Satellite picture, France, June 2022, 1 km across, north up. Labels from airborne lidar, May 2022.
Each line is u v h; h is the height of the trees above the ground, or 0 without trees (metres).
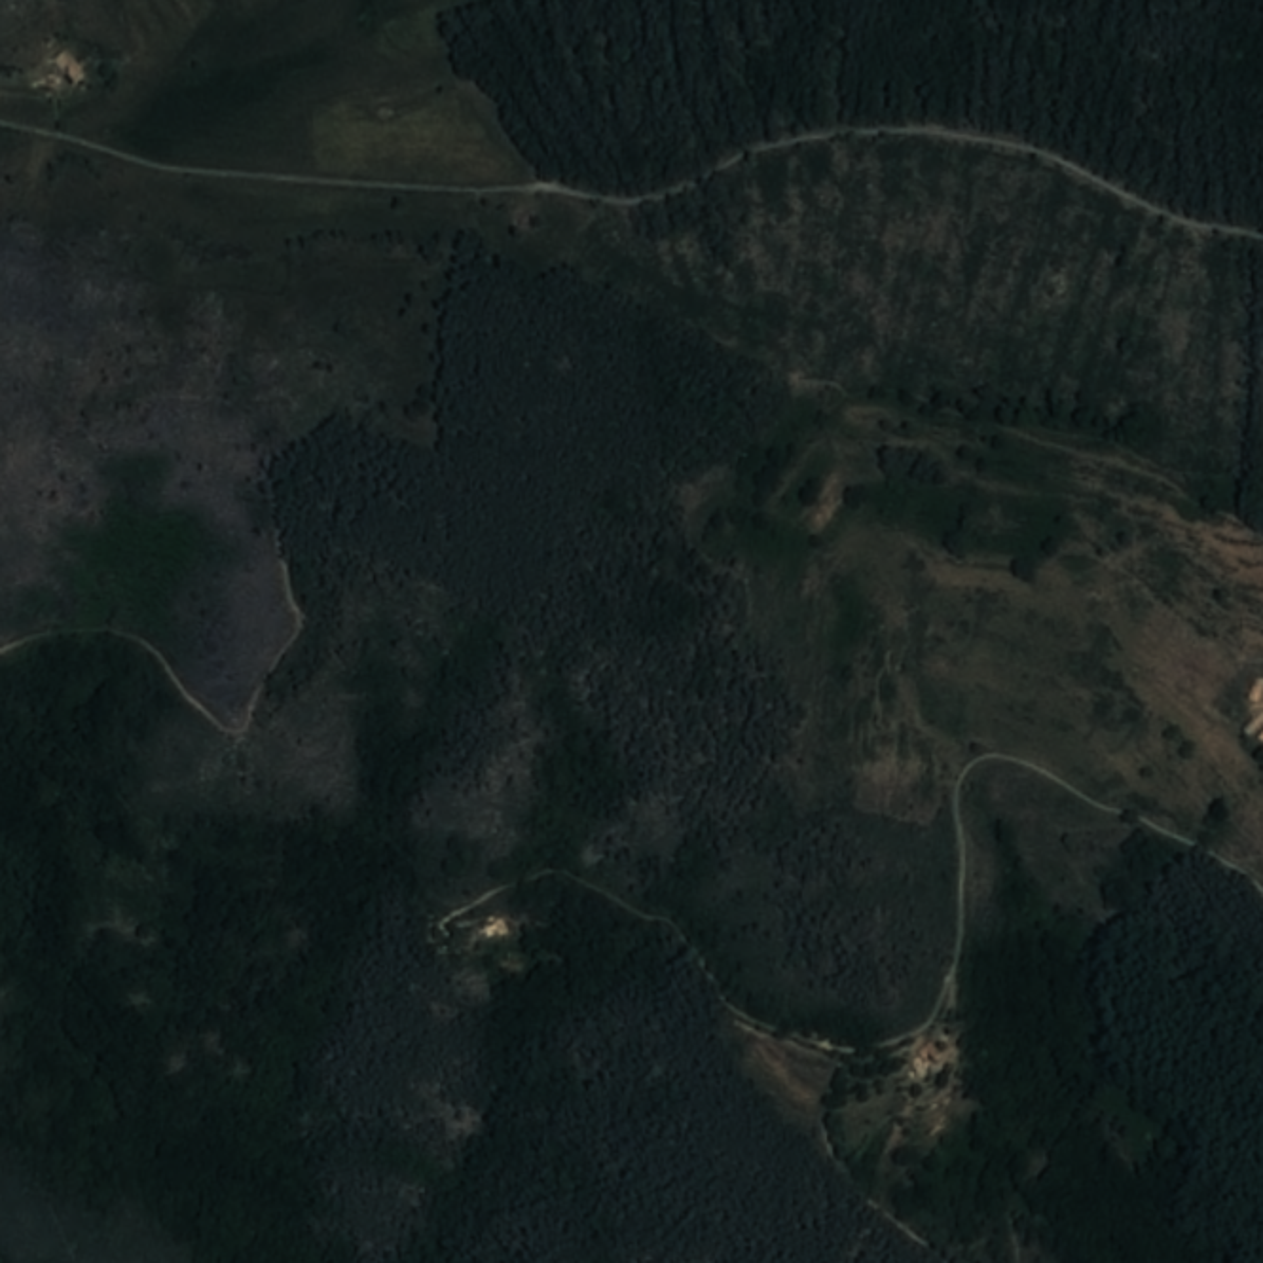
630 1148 23
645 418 17
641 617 16
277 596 0
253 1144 16
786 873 12
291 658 7
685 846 8
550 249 0
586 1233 19
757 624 0
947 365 0
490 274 17
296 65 0
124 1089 8
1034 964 15
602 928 11
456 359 16
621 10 15
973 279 0
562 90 12
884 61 13
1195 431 0
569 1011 16
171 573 0
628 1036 9
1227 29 12
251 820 7
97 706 14
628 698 13
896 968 6
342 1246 13
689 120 7
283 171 0
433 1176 13
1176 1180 21
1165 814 0
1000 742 0
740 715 18
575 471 20
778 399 15
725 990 8
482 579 14
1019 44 13
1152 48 11
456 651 7
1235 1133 39
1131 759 0
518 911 6
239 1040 17
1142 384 0
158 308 0
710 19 13
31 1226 0
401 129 0
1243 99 13
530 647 9
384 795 13
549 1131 18
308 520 16
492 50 15
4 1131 9
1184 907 17
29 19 0
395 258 0
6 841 19
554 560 20
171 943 10
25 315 0
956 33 8
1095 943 8
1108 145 8
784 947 0
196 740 0
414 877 7
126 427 0
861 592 0
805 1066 0
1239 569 0
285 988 17
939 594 0
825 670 0
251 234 0
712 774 9
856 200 0
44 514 0
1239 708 0
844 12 12
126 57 0
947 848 0
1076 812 0
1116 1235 19
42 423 0
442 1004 10
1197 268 0
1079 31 14
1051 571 0
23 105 0
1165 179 15
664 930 17
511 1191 18
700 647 19
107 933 10
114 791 8
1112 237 0
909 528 0
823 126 14
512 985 18
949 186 0
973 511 10
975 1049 9
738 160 0
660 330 20
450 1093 12
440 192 0
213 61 0
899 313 0
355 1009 16
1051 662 0
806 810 0
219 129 0
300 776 0
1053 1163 14
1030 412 15
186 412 0
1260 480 20
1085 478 0
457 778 9
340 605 10
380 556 13
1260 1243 38
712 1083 16
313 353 0
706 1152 16
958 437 0
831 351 0
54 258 0
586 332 20
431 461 16
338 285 0
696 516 0
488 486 13
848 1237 13
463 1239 17
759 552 0
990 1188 10
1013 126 13
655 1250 17
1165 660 0
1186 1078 46
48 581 0
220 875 9
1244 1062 41
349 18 0
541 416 16
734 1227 15
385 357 0
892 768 0
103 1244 0
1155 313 0
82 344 0
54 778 16
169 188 0
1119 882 10
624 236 0
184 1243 8
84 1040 20
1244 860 0
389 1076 17
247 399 0
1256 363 16
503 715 8
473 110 0
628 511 10
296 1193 18
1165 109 7
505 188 0
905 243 0
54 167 6
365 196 0
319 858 20
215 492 0
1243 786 0
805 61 17
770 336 0
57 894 14
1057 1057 20
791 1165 16
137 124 0
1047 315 0
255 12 0
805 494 14
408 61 0
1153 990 36
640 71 11
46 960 19
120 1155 17
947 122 10
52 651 11
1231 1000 36
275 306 0
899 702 0
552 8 17
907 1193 10
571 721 6
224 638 8
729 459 14
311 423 0
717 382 20
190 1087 11
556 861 16
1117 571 0
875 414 0
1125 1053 36
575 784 7
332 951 27
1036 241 0
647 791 10
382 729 8
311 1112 17
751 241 0
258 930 14
